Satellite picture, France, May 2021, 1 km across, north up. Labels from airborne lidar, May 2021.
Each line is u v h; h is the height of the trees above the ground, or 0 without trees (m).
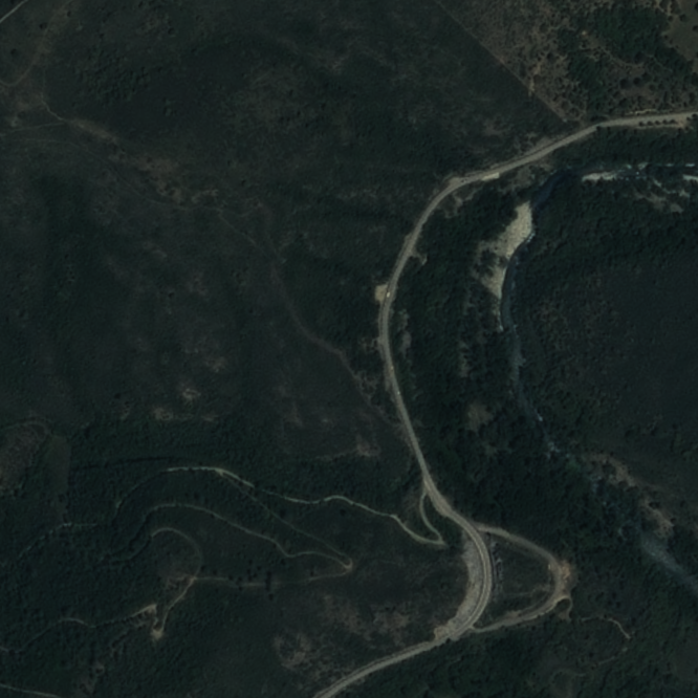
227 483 6
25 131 0
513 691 9
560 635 12
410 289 10
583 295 7
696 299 0
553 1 9
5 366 9
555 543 15
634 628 12
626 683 10
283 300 0
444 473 16
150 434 18
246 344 9
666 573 9
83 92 6
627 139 10
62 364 6
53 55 0
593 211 10
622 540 22
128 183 0
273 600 15
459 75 0
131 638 12
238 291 11
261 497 22
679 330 0
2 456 0
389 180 11
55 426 9
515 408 26
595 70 12
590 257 11
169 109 9
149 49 7
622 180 13
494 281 0
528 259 12
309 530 6
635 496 16
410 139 7
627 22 10
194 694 9
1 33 8
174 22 8
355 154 6
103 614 15
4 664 17
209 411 8
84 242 7
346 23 0
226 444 12
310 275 7
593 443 7
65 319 6
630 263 8
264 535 9
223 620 10
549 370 6
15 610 16
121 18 0
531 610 0
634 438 13
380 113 6
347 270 11
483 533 0
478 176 0
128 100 10
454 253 12
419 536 0
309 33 6
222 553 16
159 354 7
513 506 25
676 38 0
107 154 0
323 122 11
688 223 15
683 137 13
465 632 0
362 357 11
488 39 0
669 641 13
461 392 22
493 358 27
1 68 0
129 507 13
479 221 14
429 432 16
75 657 12
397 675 11
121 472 19
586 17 6
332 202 7
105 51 7
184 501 6
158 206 0
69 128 0
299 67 8
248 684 6
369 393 10
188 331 0
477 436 21
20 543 8
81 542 12
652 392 0
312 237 5
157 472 12
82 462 7
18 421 6
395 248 7
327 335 6
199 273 0
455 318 7
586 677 6
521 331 12
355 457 7
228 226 0
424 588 9
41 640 11
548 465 25
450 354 10
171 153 0
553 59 21
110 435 17
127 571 21
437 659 9
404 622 0
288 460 13
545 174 15
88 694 14
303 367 0
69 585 18
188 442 9
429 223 9
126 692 12
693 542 19
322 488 9
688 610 18
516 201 33
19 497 18
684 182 16
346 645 6
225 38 11
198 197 0
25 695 8
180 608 9
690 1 0
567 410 12
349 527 7
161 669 11
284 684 8
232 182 0
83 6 0
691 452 12
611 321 9
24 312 12
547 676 0
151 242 0
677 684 9
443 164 13
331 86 13
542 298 8
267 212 0
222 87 8
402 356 13
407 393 7
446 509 0
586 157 11
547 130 9
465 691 19
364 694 6
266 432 11
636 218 10
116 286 6
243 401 6
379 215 12
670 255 8
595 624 13
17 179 0
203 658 5
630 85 22
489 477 19
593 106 17
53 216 6
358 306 13
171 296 11
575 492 31
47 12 0
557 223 14
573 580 0
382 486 14
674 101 9
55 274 6
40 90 0
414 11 0
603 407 12
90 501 17
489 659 11
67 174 0
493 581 0
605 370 8
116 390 6
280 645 0
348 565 0
